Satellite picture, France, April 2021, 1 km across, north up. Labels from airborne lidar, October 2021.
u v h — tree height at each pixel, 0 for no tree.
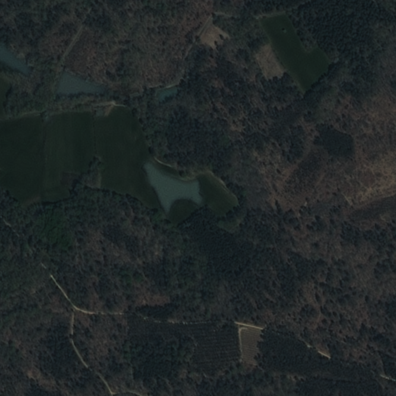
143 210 20
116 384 12
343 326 21
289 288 21
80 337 13
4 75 25
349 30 20
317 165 7
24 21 18
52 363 16
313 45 16
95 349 12
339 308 12
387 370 21
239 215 28
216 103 25
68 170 0
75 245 11
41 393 17
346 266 21
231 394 25
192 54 13
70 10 12
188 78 19
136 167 0
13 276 16
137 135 0
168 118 12
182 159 24
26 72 0
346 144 15
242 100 23
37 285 14
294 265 22
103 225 18
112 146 0
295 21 14
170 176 0
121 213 20
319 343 6
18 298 15
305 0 16
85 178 14
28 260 11
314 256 16
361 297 13
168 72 6
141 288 11
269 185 10
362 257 10
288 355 21
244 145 15
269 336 20
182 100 17
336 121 8
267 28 0
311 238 15
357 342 20
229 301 8
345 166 9
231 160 29
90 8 6
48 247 13
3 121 0
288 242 11
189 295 9
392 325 15
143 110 19
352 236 23
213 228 19
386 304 10
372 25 16
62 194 0
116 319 9
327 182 9
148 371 16
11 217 21
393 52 17
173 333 15
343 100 23
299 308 12
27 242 17
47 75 26
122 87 6
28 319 14
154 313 16
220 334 15
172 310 15
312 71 0
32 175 0
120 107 0
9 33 18
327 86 15
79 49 6
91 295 20
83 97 18
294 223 12
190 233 19
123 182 0
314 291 9
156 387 23
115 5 18
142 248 8
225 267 18
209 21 0
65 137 0
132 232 13
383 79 18
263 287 22
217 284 29
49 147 0
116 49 13
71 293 17
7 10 13
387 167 0
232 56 14
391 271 11
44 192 0
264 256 25
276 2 13
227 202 0
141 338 12
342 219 15
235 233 19
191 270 26
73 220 25
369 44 18
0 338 9
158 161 0
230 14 14
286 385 22
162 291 11
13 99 25
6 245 24
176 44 7
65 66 7
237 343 12
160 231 25
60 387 22
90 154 0
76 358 18
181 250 22
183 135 29
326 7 19
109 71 13
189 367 6
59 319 7
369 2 20
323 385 19
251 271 23
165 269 23
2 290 20
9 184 0
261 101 10
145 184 0
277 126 16
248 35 15
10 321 14
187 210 0
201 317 13
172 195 0
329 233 10
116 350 5
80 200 30
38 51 11
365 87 20
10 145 0
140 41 19
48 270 10
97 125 0
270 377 18
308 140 8
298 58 0
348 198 0
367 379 22
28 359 10
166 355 20
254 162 15
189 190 0
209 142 32
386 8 18
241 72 15
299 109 16
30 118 0
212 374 17
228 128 30
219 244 20
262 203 13
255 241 23
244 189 12
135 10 13
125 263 14
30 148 0
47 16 14
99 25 26
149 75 14
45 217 27
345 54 20
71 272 24
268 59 0
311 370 22
